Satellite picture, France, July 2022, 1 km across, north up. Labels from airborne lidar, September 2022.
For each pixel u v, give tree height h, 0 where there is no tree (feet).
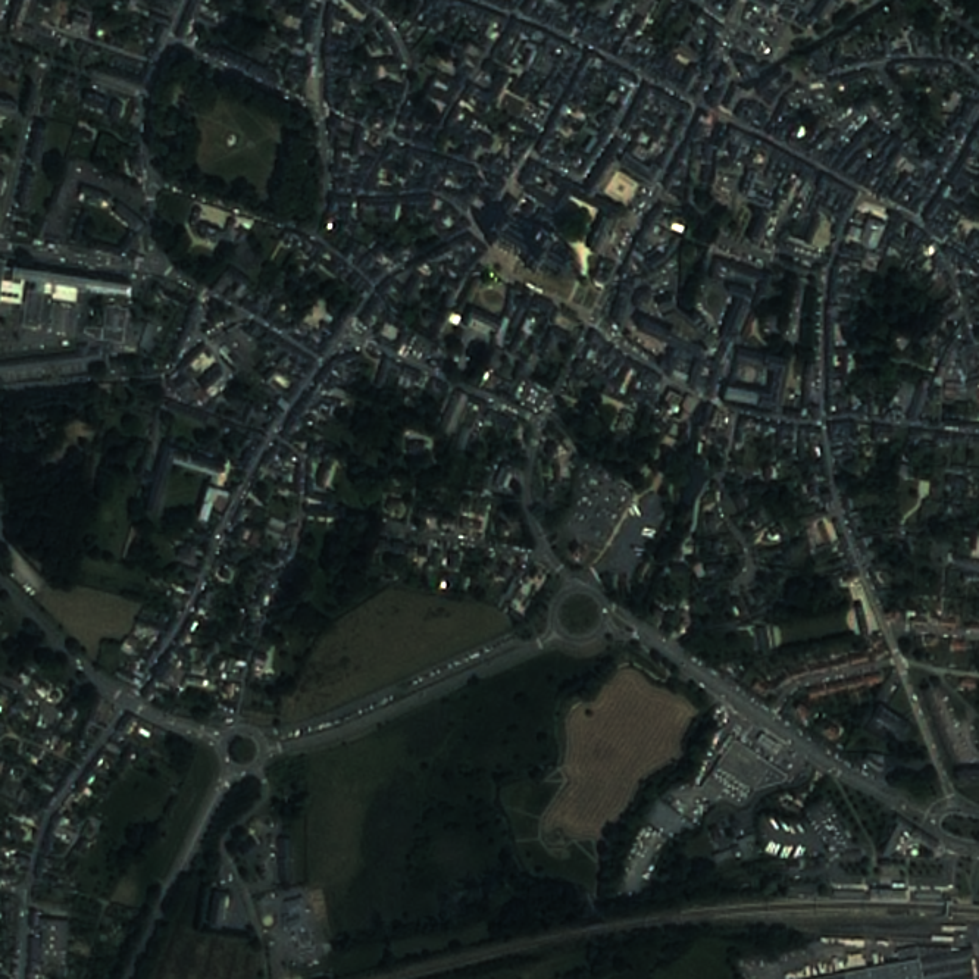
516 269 0
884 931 0
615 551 0
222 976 0
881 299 54
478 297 0
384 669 0
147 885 0
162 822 21
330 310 36
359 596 30
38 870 0
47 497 52
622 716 0
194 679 0
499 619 0
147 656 0
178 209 0
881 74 0
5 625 0
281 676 21
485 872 0
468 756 0
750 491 40
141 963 41
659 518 0
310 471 23
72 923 20
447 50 54
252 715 0
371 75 0
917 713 0
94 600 0
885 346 23
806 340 32
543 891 46
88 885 0
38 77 0
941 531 73
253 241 41
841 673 0
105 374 43
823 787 18
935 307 24
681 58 0
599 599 0
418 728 0
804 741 0
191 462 0
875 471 17
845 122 0
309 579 63
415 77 54
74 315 0
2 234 0
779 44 0
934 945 0
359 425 52
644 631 0
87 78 23
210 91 87
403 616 0
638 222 0
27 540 43
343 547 70
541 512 47
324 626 33
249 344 0
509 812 0
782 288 51
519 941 0
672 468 76
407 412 55
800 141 0
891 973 0
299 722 0
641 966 0
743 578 0
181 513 50
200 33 56
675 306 0
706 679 0
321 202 46
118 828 0
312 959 0
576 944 22
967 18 36
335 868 0
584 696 54
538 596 28
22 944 0
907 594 29
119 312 0
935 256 0
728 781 0
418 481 31
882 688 26
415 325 25
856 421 0
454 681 0
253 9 33
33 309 0
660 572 28
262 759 0
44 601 0
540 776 55
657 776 25
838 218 0
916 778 51
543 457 22
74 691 50
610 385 0
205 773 0
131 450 50
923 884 0
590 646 0
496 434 27
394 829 0
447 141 23
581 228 106
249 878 23
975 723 0
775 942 41
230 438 33
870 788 0
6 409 68
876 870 23
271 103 84
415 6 48
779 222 0
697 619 20
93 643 0
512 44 0
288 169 86
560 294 0
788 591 46
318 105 0
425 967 0
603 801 0
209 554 34
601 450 78
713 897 22
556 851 0
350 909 0
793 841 0
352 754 0
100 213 0
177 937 0
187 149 93
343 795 0
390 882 0
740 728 0
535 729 0
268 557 30
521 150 0
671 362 0
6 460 83
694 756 55
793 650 32
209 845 21
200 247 0
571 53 0
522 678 0
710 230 60
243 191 79
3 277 0
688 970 0
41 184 0
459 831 22
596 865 0
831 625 0
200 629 23
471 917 77
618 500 0
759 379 0
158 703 24
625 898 19
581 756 0
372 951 0
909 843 0
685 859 38
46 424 46
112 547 0
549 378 22
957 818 18
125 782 0
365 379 29
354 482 73
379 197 0
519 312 0
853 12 34
